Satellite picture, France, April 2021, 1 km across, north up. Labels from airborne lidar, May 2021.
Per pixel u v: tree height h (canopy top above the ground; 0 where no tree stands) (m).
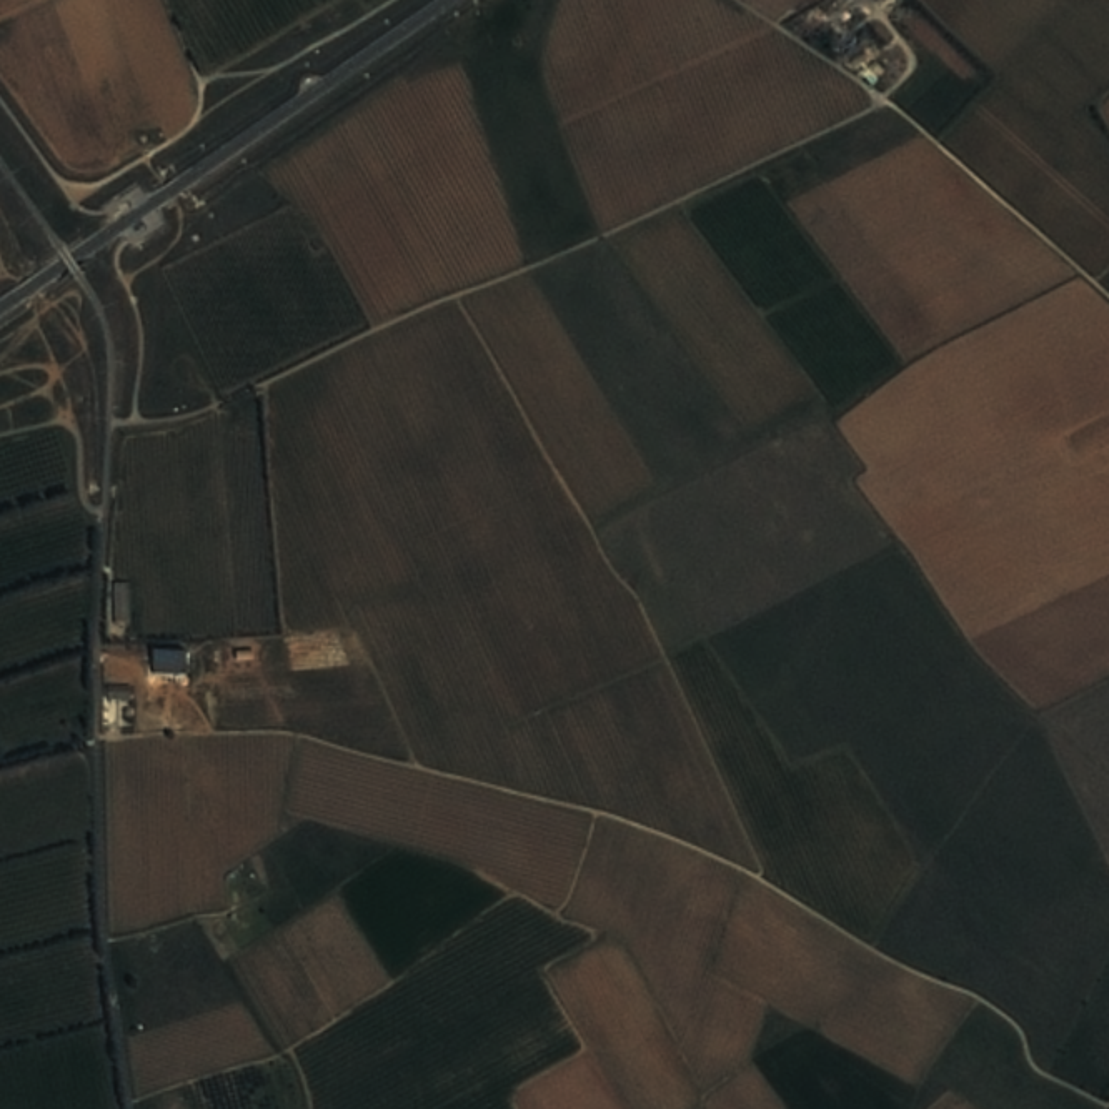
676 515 0
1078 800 0
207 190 0
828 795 0
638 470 0
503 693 0
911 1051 0
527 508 0
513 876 0
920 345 0
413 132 0
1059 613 0
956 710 0
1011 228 0
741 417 0
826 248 0
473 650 0
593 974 0
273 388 0
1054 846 0
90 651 11
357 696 0
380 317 0
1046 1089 0
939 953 0
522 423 0
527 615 0
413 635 0
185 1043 0
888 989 0
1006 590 0
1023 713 0
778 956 0
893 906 0
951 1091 0
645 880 0
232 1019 0
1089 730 0
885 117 0
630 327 0
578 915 0
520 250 0
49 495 6
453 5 0
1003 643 0
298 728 0
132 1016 0
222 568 0
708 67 0
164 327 0
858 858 0
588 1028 0
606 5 0
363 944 0
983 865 0
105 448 0
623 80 0
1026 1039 0
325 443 0
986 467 0
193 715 0
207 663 0
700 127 0
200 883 0
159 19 0
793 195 0
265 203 0
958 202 0
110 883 0
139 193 0
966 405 0
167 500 0
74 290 0
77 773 0
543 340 0
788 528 0
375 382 0
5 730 0
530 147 0
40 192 0
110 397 0
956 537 0
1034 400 0
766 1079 0
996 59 0
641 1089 0
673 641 0
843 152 0
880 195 0
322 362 0
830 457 0
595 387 0
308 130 0
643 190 0
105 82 0
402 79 0
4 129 0
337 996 0
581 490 0
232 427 0
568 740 0
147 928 0
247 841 0
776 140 0
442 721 0
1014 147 0
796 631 0
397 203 0
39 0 0
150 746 0
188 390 0
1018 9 0
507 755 0
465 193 0
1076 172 0
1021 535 0
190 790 0
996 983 0
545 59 0
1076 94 0
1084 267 0
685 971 0
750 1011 0
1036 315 0
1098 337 0
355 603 0
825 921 0
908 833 0
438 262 0
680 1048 0
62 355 0
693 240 0
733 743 0
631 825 0
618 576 0
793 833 0
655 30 0
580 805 0
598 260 0
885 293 0
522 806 0
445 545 0
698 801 0
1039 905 0
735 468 0
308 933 0
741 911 0
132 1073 0
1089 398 0
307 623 0
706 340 0
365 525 0
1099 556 0
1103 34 0
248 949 0
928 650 0
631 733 0
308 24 0
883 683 0
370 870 0
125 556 0
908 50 0
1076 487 0
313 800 0
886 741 0
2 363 0
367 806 0
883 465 0
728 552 0
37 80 0
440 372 0
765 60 0
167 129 0
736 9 0
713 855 0
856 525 0
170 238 0
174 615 0
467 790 0
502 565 0
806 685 0
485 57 0
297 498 0
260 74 0
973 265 0
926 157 0
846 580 0
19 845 0
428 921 0
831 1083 0
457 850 0
